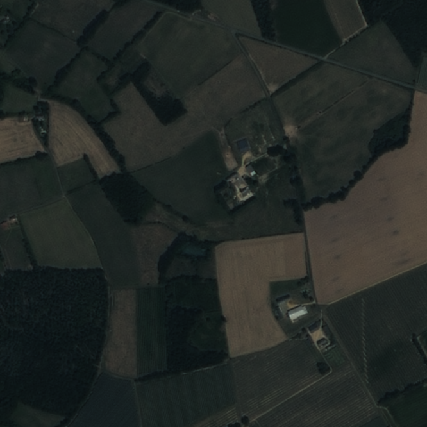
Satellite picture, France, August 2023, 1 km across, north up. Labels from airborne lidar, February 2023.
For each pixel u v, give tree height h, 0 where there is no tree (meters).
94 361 10
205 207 0
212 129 0
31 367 25
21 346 19
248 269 0
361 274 0
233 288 0
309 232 0
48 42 0
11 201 0
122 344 0
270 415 0
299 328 0
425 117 0
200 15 0
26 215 0
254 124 0
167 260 20
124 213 9
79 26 0
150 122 0
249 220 0
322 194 0
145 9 0
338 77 0
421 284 0
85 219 0
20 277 16
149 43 0
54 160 0
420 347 13
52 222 0
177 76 0
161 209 0
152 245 0
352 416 0
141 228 0
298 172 10
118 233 0
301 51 0
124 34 0
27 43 0
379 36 0
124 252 0
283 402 0
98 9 0
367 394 0
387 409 0
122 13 0
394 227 0
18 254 0
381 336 0
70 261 0
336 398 0
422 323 0
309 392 0
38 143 0
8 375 20
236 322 0
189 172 0
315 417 0
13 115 0
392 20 7
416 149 0
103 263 0
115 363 0
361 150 0
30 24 0
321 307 0
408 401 0
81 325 13
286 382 0
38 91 24
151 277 0
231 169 0
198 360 11
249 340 0
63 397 17
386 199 0
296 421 0
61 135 0
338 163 0
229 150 0
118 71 0
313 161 0
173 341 13
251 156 0
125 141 0
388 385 0
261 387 0
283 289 0
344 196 15
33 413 0
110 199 13
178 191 0
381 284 0
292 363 0
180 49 0
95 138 0
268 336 0
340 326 0
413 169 0
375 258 0
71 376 13
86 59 0
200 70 0
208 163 0
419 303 0
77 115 0
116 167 0
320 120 0
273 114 0
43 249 0
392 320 0
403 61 0
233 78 0
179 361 11
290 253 0
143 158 0
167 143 0
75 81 0
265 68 0
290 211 0
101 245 0
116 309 0
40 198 0
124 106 0
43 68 0
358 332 0
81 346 20
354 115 0
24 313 18
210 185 0
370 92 0
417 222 0
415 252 0
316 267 0
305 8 0
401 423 0
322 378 0
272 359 0
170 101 11
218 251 0
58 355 18
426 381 9
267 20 15
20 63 0
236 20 0
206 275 0
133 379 0
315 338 0
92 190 0
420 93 0
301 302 0
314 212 0
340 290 0
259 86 0
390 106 0
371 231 0
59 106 0
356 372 0
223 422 0
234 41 0
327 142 0
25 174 0
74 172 0
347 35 0
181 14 0
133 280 0
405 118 12
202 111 0
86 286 16
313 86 0
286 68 0
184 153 0
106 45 0
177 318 19
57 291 15
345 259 0
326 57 0
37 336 14
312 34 0
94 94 0
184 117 0
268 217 0
